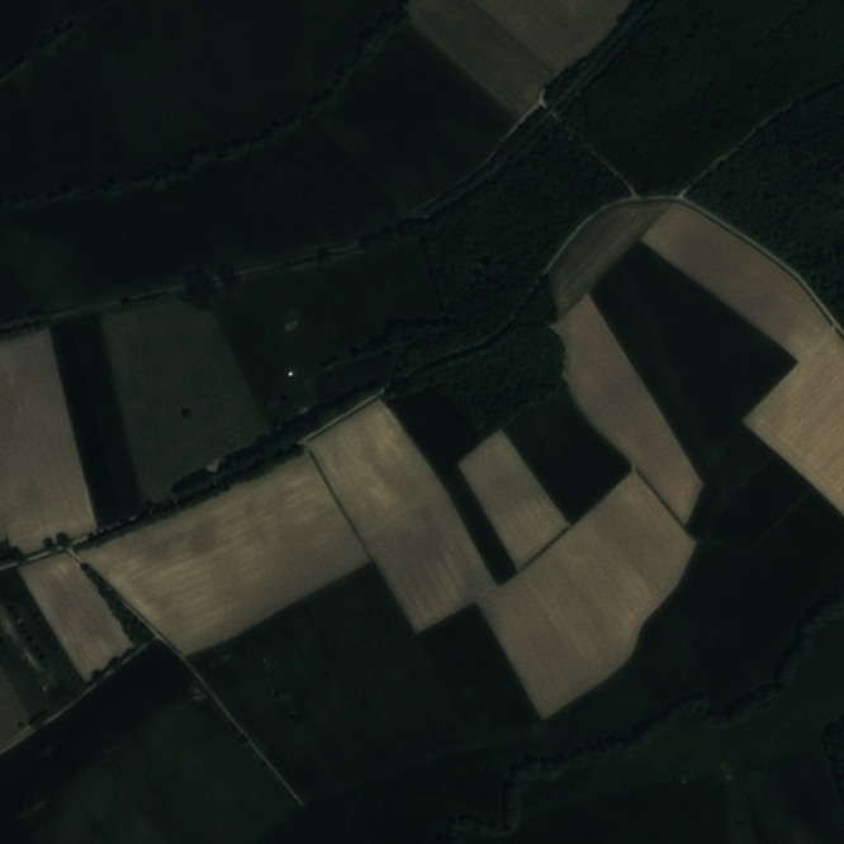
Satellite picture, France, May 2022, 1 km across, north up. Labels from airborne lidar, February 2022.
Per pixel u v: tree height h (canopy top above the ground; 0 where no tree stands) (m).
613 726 0
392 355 15
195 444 0
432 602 0
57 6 0
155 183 18
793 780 0
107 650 0
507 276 13
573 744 0
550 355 12
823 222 0
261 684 0
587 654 0
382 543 0
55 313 0
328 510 0
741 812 0
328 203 0
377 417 0
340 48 0
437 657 0
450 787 0
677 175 10
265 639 0
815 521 0
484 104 0
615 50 0
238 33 0
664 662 0
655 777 0
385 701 0
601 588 0
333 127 0
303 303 0
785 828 0
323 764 0
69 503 0
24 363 0
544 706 0
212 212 0
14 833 0
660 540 0
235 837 0
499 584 0
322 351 0
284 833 0
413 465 0
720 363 0
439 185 0
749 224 7
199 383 0
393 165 0
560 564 0
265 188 0
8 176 0
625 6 0
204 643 0
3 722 0
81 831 0
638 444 0
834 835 0
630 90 9
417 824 0
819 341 0
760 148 9
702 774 0
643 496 0
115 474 0
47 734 0
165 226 0
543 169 12
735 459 0
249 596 0
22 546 0
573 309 0
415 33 0
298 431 16
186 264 0
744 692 0
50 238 0
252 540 0
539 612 0
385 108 0
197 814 0
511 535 0
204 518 0
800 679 0
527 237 13
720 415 0
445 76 0
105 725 0
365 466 0
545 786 0
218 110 0
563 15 0
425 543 0
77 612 0
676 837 0
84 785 0
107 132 0
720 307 0
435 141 0
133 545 0
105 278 0
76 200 0
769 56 10
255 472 15
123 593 0
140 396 0
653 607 0
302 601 0
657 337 0
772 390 0
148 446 0
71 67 0
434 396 0
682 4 9
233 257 0
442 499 0
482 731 0
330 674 0
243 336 0
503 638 0
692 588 0
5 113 0
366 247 18
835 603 19
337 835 0
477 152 0
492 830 15
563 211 14
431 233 12
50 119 0
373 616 0
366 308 0
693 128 6
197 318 0
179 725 0
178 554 0
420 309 0
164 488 0
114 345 0
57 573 0
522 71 0
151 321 0
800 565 0
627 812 0
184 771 0
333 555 0
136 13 0
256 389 0
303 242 0
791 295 0
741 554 0
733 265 0
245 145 8
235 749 0
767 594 0
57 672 0
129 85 0
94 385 0
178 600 0
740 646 0
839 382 0
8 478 0
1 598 0
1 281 0
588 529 0
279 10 0
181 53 0
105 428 0
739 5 9
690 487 0
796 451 0
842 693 0
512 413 12
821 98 14
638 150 7
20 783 0
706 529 0
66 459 0
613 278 0
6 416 0
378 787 0
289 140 0
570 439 0
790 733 0
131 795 0
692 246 0
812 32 6
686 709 16
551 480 0
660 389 0
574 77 13
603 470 0
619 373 0
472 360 7
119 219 0
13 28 0
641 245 0
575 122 11
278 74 0
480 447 0
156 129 0
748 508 0
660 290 0
